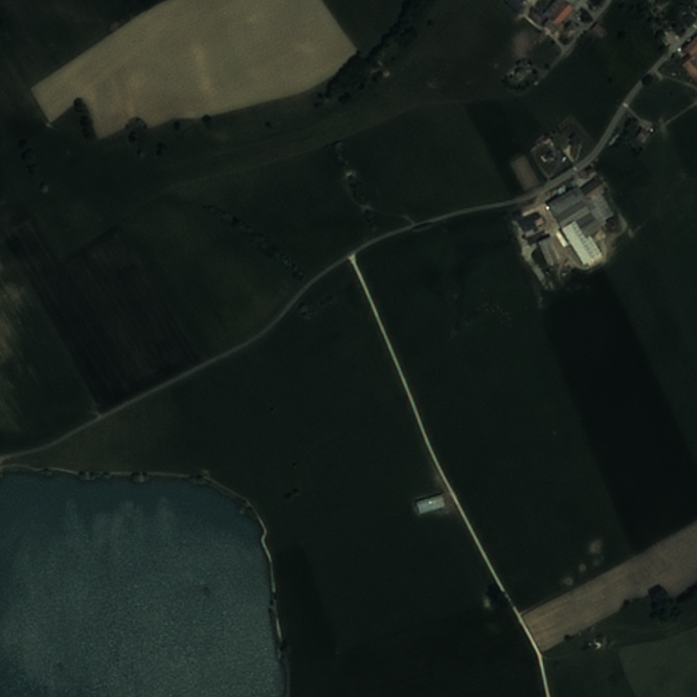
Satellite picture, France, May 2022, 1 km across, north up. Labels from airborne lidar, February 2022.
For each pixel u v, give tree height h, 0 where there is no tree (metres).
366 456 0
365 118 0
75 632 0
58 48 0
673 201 0
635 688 0
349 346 0
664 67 0
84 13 0
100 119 0
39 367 0
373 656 0
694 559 0
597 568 0
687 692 0
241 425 0
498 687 0
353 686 0
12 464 0
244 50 0
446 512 0
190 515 0
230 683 0
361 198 7
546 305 0
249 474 0
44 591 0
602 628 0
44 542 0
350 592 0
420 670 0
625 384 0
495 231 0
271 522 0
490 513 0
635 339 0
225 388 0
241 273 0
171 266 0
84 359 0
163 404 0
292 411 0
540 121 0
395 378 0
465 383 0
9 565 0
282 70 0
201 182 0
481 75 0
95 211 0
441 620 0
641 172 0
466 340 0
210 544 0
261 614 0
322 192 0
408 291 0
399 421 0
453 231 0
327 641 0
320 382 0
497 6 0
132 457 0
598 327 0
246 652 0
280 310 0
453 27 0
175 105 0
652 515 0
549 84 0
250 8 0
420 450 0
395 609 0
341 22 0
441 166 0
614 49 0
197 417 0
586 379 0
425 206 0
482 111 0
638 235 0
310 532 0
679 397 0
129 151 0
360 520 0
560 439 0
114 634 0
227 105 0
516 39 0
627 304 0
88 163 0
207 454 0
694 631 0
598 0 13
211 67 0
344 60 0
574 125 0
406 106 0
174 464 0
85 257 0
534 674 0
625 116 0
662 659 0
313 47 0
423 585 0
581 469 0
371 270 0
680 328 0
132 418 0
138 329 0
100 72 0
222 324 0
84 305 0
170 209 0
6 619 0
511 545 0
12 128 0
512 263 0
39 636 0
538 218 0
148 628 0
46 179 0
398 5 0
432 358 0
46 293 0
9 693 0
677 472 0
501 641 0
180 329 0
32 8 0
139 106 0
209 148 0
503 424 0
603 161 0
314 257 0
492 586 0
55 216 0
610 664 0
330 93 12
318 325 0
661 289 0
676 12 0
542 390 0
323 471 0
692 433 0
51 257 0
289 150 0
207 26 0
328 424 0
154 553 0
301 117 0
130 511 0
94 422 0
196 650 0
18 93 0
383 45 10
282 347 0
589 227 0
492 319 0
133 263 0
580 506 0
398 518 0
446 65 0
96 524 0
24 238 0
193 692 0
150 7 0
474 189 0
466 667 0
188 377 0
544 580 0
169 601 0
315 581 0
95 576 0
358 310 0
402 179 0
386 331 0
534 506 0
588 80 0
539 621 0
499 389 0
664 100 0
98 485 0
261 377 0
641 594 0
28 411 0
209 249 0
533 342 0
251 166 0
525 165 0
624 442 0
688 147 0
